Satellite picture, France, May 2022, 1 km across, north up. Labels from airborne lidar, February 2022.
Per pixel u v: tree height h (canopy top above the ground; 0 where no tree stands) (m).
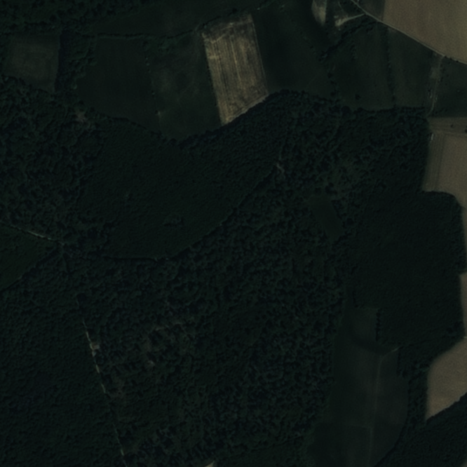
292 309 29
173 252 17
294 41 0
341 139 16
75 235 25
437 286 10
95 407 25
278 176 30
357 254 13
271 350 28
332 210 0
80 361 23
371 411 0
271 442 9
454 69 0
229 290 9
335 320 29
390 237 12
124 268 27
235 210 22
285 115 20
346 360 0
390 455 11
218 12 0
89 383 26
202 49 0
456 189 0
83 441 26
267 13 0
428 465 15
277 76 0
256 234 32
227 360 11
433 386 0
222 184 20
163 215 14
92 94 0
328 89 0
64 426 26
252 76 0
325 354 28
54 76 0
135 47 0
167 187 18
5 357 26
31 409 24
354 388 0
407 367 9
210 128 0
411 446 17
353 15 0
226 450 24
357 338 0
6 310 24
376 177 9
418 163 11
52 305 24
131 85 0
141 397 22
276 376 29
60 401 26
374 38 0
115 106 0
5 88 8
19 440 23
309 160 10
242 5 0
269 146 20
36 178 27
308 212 25
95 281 29
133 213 17
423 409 10
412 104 0
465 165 0
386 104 0
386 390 0
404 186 7
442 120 0
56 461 24
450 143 0
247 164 24
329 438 0
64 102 9
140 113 0
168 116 0
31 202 27
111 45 0
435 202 10
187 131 0
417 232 12
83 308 25
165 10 0
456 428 13
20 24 22
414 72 0
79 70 9
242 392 35
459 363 0
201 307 28
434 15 0
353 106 0
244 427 29
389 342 10
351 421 0
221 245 31
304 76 0
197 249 28
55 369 23
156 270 32
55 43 0
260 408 31
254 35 0
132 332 30
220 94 0
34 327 25
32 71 0
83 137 15
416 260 13
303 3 0
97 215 18
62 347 26
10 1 10
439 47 0
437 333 12
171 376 12
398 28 0
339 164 34
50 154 32
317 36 0
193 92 0
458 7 0
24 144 30
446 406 0
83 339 23
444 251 13
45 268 24
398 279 12
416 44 0
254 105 0
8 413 24
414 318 12
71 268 23
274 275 32
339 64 0
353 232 16
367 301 9
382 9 0
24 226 26
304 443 6
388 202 10
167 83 0
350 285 11
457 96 0
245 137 24
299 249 12
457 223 12
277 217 33
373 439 0
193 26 0
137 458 16
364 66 0
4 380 24
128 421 0
